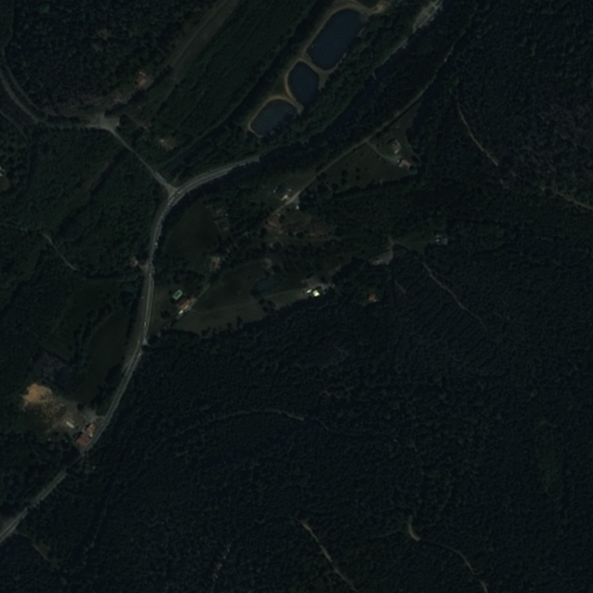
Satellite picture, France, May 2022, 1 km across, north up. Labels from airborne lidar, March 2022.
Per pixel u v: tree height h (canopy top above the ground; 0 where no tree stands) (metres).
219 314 0
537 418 21
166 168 0
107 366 0
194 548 27
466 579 17
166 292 0
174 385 10
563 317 11
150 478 20
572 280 13
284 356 15
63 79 28
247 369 12
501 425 16
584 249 24
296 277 0
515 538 23
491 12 19
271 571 22
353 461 22
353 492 25
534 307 9
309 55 0
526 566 24
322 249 0
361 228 16
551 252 21
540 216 9
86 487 13
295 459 26
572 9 22
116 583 22
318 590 22
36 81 28
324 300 21
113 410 0
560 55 9
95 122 0
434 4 0
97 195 18
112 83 12
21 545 23
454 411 31
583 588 19
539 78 10
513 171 16
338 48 0
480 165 32
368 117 12
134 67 20
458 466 26
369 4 0
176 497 9
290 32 18
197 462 17
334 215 17
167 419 11
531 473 21
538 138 25
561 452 12
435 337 21
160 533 12
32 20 15
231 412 11
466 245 19
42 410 0
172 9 29
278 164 22
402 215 9
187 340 15
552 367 12
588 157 17
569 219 7
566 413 21
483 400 20
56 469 21
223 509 18
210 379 10
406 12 20
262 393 11
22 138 16
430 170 9
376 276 18
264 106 0
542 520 25
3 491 19
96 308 0
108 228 24
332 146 24
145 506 9
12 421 8
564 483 11
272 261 0
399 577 15
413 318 19
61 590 31
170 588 25
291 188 0
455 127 12
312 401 11
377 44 20
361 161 0
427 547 15
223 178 0
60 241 18
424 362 23
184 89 6
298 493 18
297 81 0
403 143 0
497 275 10
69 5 26
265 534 18
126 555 8
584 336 10
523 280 8
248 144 22
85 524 17
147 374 17
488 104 8
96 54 21
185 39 0
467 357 17
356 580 18
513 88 12
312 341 19
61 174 21
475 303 10
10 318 10
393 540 18
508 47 10
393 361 21
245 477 28
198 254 0
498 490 21
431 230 0
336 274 0
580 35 14
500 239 25
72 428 0
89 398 0
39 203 27
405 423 22
